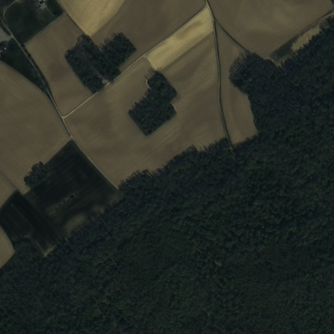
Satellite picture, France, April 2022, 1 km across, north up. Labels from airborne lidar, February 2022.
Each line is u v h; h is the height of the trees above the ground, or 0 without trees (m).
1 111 0
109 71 24
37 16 0
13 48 0
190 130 0
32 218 0
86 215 0
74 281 31
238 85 13
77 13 0
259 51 0
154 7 0
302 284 26
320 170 29
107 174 0
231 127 0
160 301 15
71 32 0
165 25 0
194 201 31
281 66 0
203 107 0
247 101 0
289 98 24
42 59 0
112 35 0
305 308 25
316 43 24
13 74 0
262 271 14
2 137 0
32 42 0
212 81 0
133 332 33
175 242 22
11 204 0
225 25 0
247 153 32
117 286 30
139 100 0
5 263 0
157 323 23
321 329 25
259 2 0
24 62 0
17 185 0
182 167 30
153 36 0
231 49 0
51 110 0
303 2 0
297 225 31
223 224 30
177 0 0
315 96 28
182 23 0
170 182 35
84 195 0
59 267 22
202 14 0
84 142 0
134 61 0
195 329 20
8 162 0
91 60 25
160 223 21
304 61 26
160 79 27
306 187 33
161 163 0
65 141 0
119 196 0
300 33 0
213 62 0
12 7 0
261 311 15
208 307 24
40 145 0
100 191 0
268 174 9
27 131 0
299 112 31
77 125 0
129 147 0
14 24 0
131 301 15
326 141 28
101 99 0
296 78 31
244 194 32
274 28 0
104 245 32
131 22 0
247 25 0
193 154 22
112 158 0
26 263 30
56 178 0
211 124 0
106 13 0
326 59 33
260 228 33
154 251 14
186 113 0
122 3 0
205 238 32
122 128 0
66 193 0
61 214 0
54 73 0
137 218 33
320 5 0
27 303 13
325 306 29
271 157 35
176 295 23
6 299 18
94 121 0
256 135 0
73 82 0
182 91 0
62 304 29
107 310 14
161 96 26
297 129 31
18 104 0
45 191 0
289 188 18
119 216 34
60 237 0
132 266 15
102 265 29
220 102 0
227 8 0
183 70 0
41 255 0
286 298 23
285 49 0
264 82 26
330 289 28
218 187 33
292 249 9
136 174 0
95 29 0
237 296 30
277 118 28
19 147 0
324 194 34
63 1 0
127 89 0
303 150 29
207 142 0
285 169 27
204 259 26
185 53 0
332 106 35
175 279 28
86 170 0
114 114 0
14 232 0
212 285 26
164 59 0
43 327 17
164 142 0
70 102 0
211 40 0
